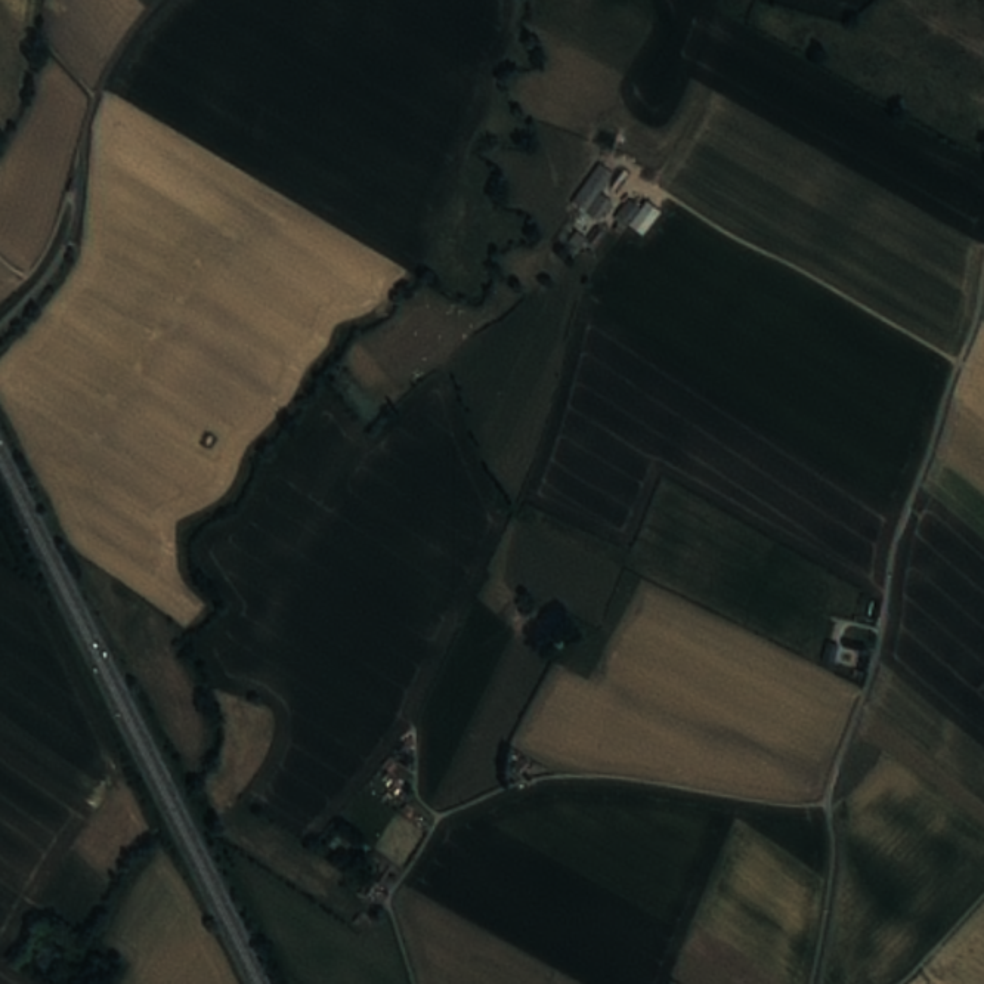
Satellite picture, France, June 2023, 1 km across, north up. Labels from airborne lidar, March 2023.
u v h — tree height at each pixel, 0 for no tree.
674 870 0
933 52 0
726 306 0
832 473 0
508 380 0
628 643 0
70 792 0
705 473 0
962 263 0
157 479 0
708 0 0
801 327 0
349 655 0
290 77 0
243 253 0
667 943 0
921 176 0
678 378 0
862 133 0
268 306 0
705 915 0
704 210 0
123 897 0
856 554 0
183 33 0
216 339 0
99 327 0
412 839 0
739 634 0
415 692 0
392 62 0
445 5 0
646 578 0
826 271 0
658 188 0
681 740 0
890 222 0
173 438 0
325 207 0
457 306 0
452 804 0
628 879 0
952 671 0
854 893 0
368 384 0
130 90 0
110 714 0
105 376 0
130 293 0
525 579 0
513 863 0
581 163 0
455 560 0
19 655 0
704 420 0
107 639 0
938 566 0
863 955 0
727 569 0
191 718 0
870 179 0
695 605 0
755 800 0
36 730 0
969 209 0
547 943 0
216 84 0
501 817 0
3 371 0
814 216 0
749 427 0
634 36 0
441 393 0
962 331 0
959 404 0
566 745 0
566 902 0
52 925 22
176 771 0
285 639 0
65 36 0
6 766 0
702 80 0
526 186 0
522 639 0
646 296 0
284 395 0
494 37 0
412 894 0
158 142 0
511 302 0
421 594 0
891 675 0
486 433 0
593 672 0
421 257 0
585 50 0
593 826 0
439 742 0
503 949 0
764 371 0
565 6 0
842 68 0
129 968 0
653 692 0
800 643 0
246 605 0
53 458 0
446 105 0
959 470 0
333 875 0
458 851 0
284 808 0
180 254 0
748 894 0
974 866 0
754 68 0
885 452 0
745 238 0
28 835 0
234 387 0
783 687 0
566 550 0
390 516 0
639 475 0
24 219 0
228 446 0
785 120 0
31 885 0
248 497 0
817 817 0
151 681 0
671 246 0
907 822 0
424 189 0
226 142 0
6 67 0
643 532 0
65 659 0
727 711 0
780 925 0
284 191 0
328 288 0
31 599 0
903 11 0
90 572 0
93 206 0
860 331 0
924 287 0
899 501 0
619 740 0
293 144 0
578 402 0
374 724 0
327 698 0
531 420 0
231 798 0
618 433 0
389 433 0
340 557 0
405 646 0
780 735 0
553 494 0
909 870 0
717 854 0
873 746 0
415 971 0
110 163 0
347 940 0
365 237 0
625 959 0
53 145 0
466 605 0
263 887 0
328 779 0
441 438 0
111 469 0
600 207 0
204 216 0
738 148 0
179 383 0
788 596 0
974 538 0
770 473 0
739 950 0
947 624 0
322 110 0
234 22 0
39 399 0
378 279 0
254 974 0
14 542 18
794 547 0
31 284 0
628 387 0
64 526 0
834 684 0
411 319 0
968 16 0
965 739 0
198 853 0
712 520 0
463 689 0
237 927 0
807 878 0
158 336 0
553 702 0
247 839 0
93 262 0
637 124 0
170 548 0
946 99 0
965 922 0
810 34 0
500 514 0
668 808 0
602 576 0
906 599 0
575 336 0
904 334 0
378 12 0
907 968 0
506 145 0
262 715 0
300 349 0
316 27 0
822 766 0
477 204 0
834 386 0
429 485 0
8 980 0
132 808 0
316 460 0
